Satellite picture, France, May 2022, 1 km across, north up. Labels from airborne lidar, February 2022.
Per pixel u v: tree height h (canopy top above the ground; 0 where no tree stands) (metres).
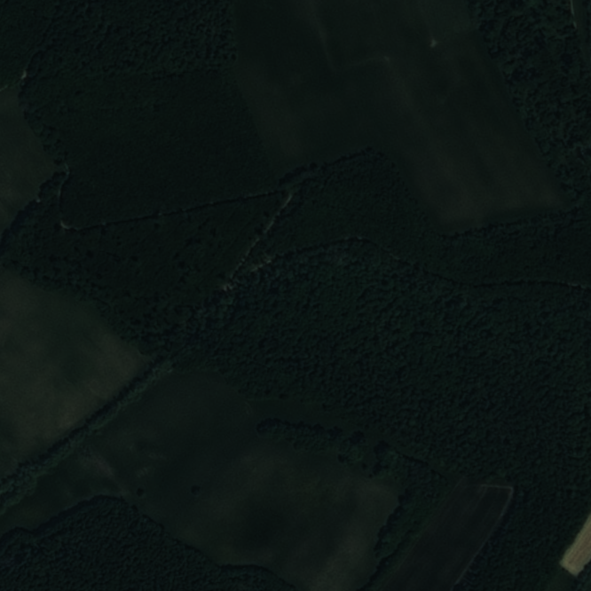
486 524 0
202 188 13
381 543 14
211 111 12
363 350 25
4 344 0
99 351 0
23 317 0
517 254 17
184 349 27
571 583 0
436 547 0
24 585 25
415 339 30
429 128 0
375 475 13
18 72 15
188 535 0
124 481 0
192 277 28
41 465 21
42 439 0
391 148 0
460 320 28
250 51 0
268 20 0
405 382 26
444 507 0
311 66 0
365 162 14
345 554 0
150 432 0
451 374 26
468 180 0
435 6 0
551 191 0
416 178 0
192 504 0
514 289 18
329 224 14
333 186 15
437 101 0
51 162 0
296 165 0
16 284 0
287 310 25
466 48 0
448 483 13
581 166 8
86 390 0
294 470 0
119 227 13
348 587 0
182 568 22
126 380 0
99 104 13
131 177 12
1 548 15
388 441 0
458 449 23
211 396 0
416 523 22
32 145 0
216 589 23
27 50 16
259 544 0
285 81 0
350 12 0
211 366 16
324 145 0
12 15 17
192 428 0
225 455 0
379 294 27
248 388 19
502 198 0
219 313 27
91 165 13
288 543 0
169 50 21
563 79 10
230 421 0
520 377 27
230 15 20
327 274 26
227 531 0
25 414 0
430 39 0
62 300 0
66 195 13
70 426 0
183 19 25
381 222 15
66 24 25
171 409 0
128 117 12
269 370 22
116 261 28
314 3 0
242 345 25
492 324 33
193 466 0
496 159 0
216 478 0
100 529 20
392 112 0
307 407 0
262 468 0
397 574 0
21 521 0
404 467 21
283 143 0
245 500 0
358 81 0
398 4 0
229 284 24
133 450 0
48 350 0
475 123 0
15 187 0
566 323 28
